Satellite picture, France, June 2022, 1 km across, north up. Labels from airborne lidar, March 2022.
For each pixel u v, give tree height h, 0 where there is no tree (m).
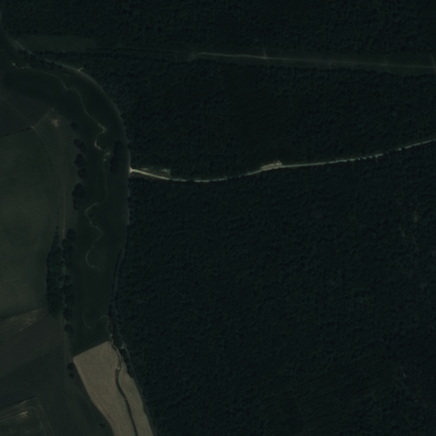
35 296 0
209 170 14
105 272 0
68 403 0
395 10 15
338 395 5
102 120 0
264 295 14
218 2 23
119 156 13
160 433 13
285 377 15
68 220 0
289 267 26
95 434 0
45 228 0
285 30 16
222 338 15
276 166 0
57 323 0
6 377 0
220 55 0
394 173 16
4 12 14
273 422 9
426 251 16
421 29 17
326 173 17
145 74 22
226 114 16
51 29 16
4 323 0
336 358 17
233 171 17
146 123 20
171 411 18
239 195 19
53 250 9
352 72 13
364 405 17
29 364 0
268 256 20
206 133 16
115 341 6
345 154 16
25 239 0
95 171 0
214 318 18
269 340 17
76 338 0
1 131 0
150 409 15
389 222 17
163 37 15
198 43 13
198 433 19
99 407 0
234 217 16
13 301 0
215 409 18
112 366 0
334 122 20
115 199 0
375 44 17
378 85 18
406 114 16
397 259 19
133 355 8
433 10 11
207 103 18
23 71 0
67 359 0
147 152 17
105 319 0
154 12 16
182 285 20
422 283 21
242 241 18
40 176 0
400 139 16
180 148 15
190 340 19
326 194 21
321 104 12
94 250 0
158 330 19
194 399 15
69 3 15
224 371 18
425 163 18
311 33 15
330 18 11
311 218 16
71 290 19
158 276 13
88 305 0
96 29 15
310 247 7
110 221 0
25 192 0
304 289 18
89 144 0
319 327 18
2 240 0
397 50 19
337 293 19
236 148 16
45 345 0
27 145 0
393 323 23
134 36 17
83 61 16
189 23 21
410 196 19
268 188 20
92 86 0
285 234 24
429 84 17
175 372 16
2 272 0
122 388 0
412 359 21
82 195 17
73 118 0
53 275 19
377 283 18
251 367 20
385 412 16
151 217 18
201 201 18
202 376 19
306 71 12
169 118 17
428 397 22
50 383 0
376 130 16
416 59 0
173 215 18
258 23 17
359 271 20
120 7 16
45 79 0
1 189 0
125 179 0
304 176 19
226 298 18
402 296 18
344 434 17
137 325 15
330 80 16
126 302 17
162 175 0
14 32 14
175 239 16
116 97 15
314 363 17
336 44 14
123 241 0
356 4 18
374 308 20
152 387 18
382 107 15
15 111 0
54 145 0
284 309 20
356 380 7
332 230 21
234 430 18
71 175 0
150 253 16
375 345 23
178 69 19
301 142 19
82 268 0
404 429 21
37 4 17
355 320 19
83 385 0
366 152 15
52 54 14
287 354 17
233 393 20
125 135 0
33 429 0
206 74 20
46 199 0
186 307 17
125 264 14
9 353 0
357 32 17
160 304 18
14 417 0
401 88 14
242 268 16
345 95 18
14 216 0
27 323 0
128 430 0
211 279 16
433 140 0
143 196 7
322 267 15
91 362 0
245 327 17
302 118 15
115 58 15
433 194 21
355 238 26
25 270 0
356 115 17
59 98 0
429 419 19
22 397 0
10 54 0
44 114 0
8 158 0
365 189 17
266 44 15
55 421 0
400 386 17
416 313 20
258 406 17
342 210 20
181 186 17
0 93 0
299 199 20
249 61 0
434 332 23
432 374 21
